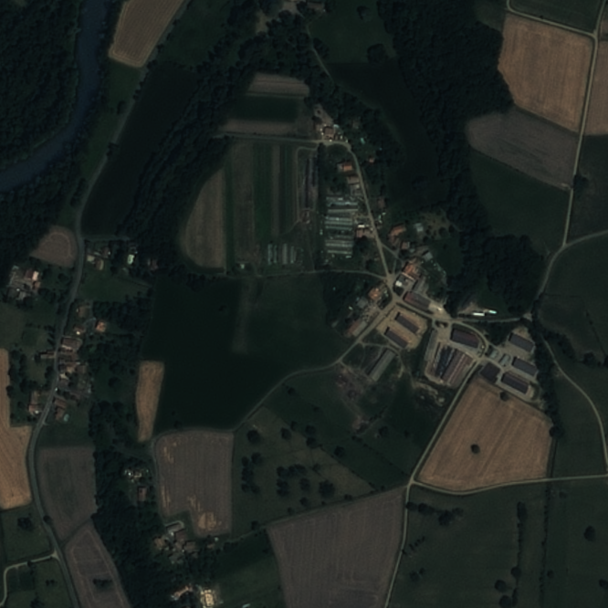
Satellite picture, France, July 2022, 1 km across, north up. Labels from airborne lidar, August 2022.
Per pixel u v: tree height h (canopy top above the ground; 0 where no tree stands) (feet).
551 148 0
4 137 58
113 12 101
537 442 0
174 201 72
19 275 0
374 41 0
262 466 45
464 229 50
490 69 66
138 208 54
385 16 44
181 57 0
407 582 0
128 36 0
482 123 0
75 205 49
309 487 61
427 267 0
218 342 0
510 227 0
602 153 0
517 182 0
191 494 0
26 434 0
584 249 0
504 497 0
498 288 73
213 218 0
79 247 0
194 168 51
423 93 67
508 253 59
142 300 37
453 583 0
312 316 0
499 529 0
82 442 0
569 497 0
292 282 0
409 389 0
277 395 0
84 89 0
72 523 0
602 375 0
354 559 0
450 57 78
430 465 0
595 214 0
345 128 32
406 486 0
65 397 30
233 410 0
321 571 0
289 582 0
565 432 42
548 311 0
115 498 61
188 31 0
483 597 0
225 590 0
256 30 0
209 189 0
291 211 0
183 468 0
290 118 0
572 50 0
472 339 0
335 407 0
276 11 94
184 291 0
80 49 0
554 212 0
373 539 0
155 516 35
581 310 0
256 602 0
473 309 0
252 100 0
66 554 0
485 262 86
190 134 68
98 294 0
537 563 0
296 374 0
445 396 0
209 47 0
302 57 57
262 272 0
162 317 0
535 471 0
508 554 0
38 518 0
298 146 0
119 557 52
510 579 0
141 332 31
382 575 0
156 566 50
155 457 0
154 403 0
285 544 0
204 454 0
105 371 0
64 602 0
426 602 0
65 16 63
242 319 0
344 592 0
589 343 0
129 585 50
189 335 0
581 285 0
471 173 61
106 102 73
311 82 75
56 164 67
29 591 0
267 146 0
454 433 0
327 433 0
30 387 48
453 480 0
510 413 0
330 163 0
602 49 0
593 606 0
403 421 0
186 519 0
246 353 0
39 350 0
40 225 102
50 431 0
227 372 0
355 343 0
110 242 22
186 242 0
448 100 80
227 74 18
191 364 0
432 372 0
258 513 0
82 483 0
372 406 0
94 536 0
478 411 0
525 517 39
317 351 0
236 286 0
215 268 0
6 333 0
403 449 0
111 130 0
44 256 0
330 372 0
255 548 0
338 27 0
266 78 0
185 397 0
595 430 0
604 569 0
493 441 0
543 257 32
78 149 65
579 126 0
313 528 0
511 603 38
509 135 0
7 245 105
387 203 41
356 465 0
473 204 69
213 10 0
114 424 45
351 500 34
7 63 76
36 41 47
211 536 22
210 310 0
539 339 44
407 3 64
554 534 0
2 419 0
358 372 0
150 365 0
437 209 41
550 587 0
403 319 0
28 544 0
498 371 0
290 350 0
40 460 0
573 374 0
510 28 0
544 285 0
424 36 73
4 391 0
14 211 74
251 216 0
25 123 41
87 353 19
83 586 0
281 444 0
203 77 39
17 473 0
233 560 0
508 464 0
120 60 0
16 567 0
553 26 0
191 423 0
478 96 57
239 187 0
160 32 0
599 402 0
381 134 29
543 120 0
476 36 71
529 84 0
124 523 59
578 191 49
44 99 86
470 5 63
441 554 0
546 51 0
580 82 0
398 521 0
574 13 0
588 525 0
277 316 0
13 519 0
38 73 36
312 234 0
